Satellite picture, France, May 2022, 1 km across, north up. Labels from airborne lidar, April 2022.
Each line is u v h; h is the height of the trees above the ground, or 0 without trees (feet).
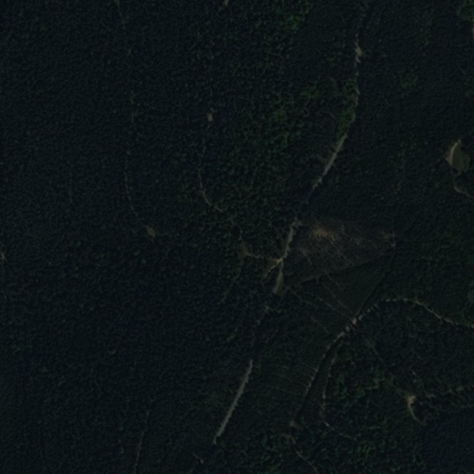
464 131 58
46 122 23
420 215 56
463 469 85
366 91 73
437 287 52
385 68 72
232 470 92
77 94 94
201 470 114
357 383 105
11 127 69
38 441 55
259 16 61
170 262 46
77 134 77
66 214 88
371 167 81
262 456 79
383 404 82
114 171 87
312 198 80
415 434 66
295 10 71
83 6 38
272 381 62
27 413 74
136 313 40
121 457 42
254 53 25
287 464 48
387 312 98
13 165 42
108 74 80
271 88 51
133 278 93
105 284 98
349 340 46
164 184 79
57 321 92
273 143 38
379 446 94
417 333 34
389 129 73
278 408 45
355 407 59
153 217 77
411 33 73
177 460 55
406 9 77
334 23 68
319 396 42
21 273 48
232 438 72
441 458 97
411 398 0
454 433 102
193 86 44
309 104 24
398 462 109
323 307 60
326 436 74
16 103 71
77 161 88
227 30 59
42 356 95
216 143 67
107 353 81
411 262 40
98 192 85
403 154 63
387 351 90
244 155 82
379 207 69
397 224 61
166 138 43
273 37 74
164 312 73
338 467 91
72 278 68
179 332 45
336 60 89
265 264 22
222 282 70
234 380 60
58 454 51
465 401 124
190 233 86
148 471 34
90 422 46
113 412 30
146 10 27
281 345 50
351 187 80
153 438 48
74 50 95
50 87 74
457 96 74
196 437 52
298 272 72
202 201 45
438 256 48
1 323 73
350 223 68
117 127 84
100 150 83
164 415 44
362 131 71
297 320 44
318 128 19
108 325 109
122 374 31
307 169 23
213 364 42
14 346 91
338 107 72
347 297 34
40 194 58
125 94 93
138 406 38
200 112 84
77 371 93
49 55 93
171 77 88
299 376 41
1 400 60
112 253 93
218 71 45
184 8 94
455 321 47
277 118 51
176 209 39
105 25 92
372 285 37
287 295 31
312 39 64
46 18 63
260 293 81
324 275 25
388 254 40
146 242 101
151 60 28
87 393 114
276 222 41
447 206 39
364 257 78
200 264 33
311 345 37
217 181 73
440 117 75
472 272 57
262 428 38
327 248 66
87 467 46
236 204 40
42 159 69
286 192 29
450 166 53
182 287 43
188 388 46
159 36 90
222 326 57
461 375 110
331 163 0
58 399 36
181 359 30
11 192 86
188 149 81
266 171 64
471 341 89
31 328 112
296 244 61
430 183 78
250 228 34
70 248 28
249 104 70
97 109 96
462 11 91
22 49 83
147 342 25
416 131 79
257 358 88
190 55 80
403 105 96
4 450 79
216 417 52
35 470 63
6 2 89
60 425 52
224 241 84
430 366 95
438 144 82
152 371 31
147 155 41
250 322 56
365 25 73
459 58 94
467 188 41
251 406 48
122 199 45
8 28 101
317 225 72
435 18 93
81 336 51
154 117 87
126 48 99
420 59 87
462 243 50
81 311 93
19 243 72
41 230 52
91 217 27
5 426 73
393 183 81
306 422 58
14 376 68
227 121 75
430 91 72
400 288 66
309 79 72
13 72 86
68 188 89
